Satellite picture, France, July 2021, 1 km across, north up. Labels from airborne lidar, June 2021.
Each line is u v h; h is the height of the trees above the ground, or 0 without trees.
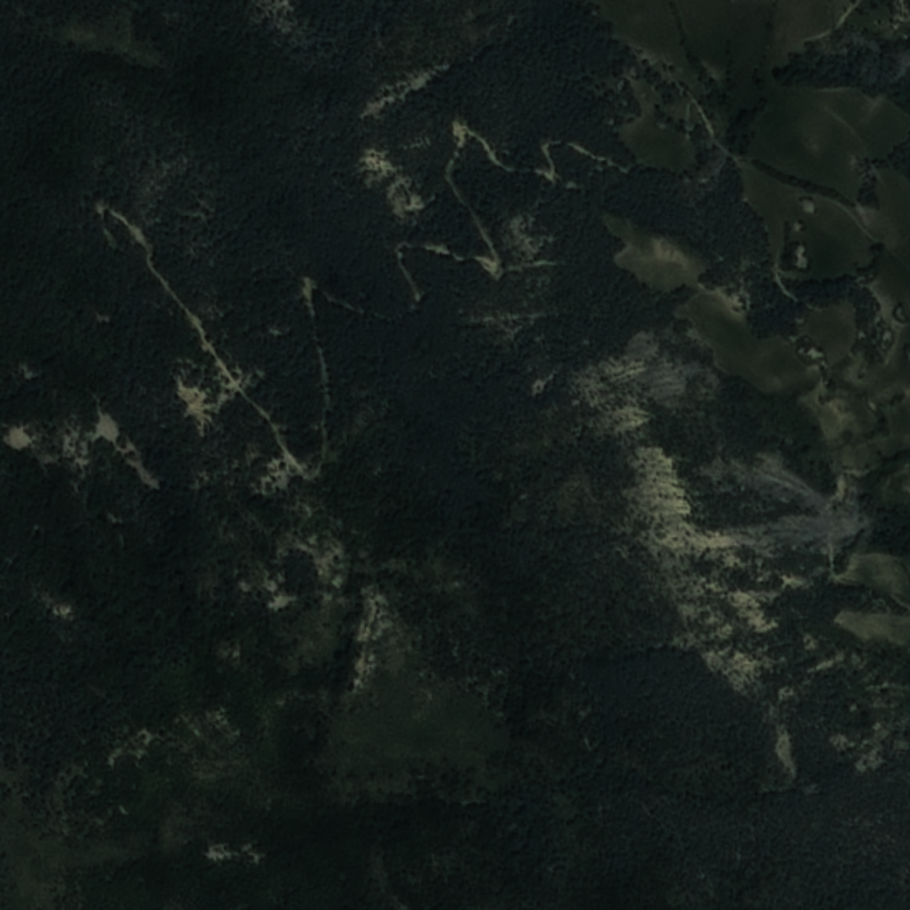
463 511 12
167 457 15
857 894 10
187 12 13
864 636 0
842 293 7
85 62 18
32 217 13
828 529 0
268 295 14
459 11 6
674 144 0
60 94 14
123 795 6
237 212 14
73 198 11
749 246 6
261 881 8
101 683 8
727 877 8
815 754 6
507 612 7
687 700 7
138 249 10
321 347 15
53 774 10
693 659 8
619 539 6
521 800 10
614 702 10
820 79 7
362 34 13
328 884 6
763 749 8
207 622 7
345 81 15
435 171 8
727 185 7
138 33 10
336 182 7
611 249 8
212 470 11
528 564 10
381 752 0
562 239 7
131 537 13
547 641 6
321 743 8
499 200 10
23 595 9
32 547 14
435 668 7
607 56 11
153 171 9
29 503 9
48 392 14
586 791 9
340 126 9
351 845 8
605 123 7
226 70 17
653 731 6
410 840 11
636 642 11
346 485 8
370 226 8
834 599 8
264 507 11
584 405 7
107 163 8
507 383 8
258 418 15
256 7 7
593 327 6
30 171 16
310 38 11
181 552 9
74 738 8
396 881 9
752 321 7
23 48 10
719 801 8
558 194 8
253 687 6
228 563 15
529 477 6
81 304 12
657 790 6
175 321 12
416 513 8
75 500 12
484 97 6
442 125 11
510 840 11
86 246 12
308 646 0
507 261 9
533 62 9
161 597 12
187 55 14
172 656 9
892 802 6
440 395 15
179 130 11
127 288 12
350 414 9
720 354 0
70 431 8
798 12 0
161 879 8
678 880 7
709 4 0
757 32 0
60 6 9
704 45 0
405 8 13
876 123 0
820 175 0
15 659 11
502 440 6
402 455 13
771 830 7
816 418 0
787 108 0
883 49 12
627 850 8
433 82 10
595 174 9
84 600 17
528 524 9
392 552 9
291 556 9
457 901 7
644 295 9
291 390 9
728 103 8
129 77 16
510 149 6
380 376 13
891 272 0
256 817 7
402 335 15
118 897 6
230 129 11
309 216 13
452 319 10
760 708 7
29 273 13
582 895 6
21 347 13
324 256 12
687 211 5
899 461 12
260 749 6
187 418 9
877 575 0
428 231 10
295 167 12
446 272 12
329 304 14
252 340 13
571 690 9
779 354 0
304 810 7
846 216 0
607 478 7
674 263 0
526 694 9
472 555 7
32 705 11
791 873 8
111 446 10
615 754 8
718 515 7
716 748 11
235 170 12
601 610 5
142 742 5
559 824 7
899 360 0
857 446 0
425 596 7
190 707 6
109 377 11
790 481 0
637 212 8
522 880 7
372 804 7
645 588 6
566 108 12
